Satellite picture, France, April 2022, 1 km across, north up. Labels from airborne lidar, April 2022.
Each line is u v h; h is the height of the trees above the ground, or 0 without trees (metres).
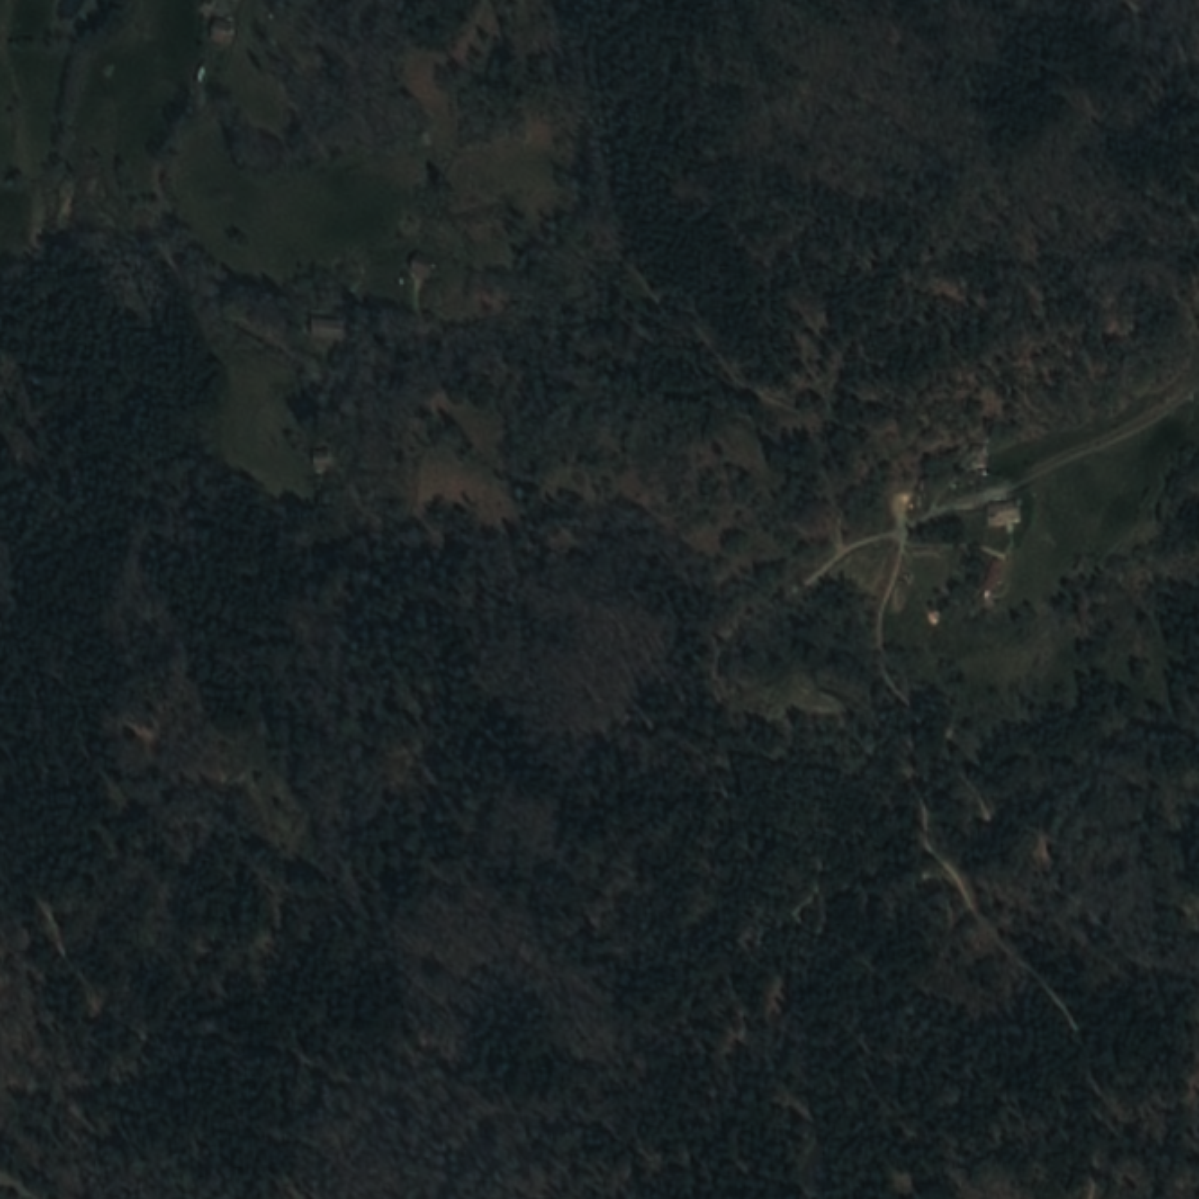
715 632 18
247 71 0
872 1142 20
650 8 17
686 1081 18
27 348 22
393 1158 30
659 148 19
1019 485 0
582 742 26
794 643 19
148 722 35
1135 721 7
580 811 20
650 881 16
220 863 23
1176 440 0
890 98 20
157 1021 20
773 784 10
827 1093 27
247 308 32
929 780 10
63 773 22
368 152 16
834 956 12
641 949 14
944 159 13
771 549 0
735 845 23
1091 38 19
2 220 0
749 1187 27
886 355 21
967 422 6
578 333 16
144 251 24
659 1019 11
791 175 16
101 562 25
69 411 20
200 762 19
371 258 0
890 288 13
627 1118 13
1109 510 0
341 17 15
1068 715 21
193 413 32
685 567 26
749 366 24
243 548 30
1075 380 13
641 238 19
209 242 0
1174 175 24
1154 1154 23
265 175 21
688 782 8
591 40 23
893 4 18
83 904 20
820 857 15
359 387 25
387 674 32
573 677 30
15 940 28
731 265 18
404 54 17
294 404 0
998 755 26
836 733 8
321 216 0
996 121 21
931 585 0
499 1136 14
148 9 0
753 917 10
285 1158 24
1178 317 22
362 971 21
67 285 30
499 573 31
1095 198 19
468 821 33
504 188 0
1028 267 19
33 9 0
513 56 14
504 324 22
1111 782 28
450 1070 11
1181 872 18
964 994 7
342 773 23
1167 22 33
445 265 0
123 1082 25
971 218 19
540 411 16
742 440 0
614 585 24
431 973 10
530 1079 26
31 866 23
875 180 14
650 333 28
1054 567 0
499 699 30
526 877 29
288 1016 17
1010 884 22
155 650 17
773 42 14
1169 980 15
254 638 22
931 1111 26
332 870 19
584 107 26
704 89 15
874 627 11
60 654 23
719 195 16
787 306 19
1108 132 18
